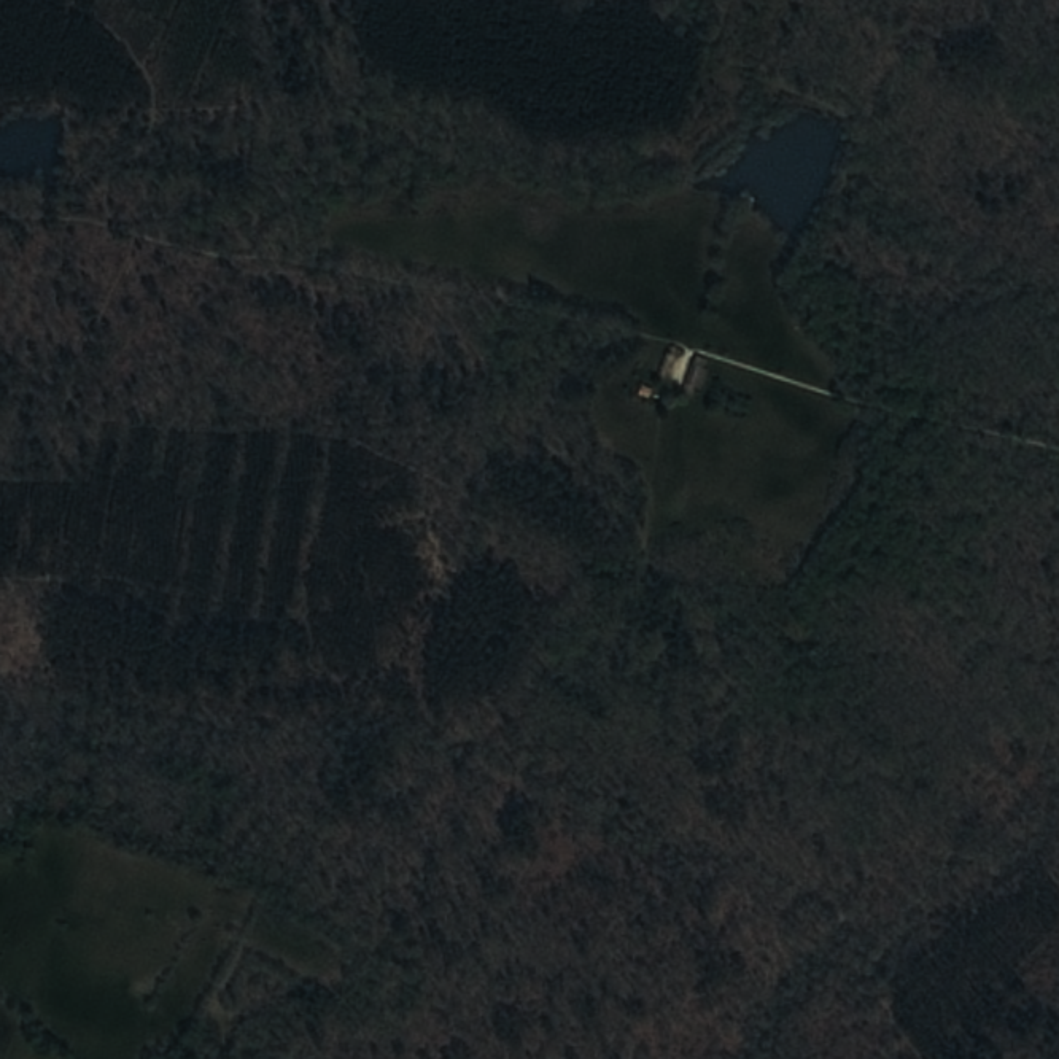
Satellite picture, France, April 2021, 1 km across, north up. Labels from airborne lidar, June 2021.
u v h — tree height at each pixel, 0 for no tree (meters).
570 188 26
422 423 10
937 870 18
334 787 22
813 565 20
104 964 0
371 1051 9
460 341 19
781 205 0
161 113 7
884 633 16
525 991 15
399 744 23
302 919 15
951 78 14
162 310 7
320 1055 12
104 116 13
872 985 11
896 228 15
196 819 10
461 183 16
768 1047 21
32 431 22
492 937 18
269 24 11
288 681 13
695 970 13
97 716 22
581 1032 15
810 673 21
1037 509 21
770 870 14
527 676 18
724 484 0
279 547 7
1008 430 17
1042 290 15
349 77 11
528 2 16
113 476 9
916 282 16
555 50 16
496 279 0
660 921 22
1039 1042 6
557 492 22
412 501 7
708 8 15
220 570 6
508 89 19
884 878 13
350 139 26
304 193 25
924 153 15
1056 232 9
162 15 6
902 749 20
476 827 15
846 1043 8
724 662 8
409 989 11
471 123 17
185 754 15
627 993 15
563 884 6
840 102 19
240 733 21
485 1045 16
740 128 10
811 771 15
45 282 11
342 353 21
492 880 12
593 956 13
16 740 14
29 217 10
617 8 16
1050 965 6
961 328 20
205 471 5
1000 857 16
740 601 10
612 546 23
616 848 6
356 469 8
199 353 14
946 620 22
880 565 20
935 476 19
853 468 8
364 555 9
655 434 0
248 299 10
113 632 22
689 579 11
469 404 11
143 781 15
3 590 6
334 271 16
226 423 15
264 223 15
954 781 18
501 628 23
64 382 11
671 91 18
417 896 17
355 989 17
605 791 22
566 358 22
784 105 10
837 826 18
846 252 17
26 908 0
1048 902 13
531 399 14
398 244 0
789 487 0
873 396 19
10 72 15
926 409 12
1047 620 15
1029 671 16
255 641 21
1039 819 17
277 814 17
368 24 16
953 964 13
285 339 7
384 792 17
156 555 6
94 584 7
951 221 13
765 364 0
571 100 18
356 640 8
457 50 17
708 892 16
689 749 19
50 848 0
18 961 0
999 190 11
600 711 22
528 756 23
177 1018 0
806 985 16
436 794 15
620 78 18
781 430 0
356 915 17
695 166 9
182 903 0
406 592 8
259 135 19
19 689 23
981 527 18
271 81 12
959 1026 11
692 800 13
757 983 14
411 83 15
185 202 14
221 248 17
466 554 16
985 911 10
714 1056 10
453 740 23
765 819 13
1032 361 20
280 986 10
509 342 23
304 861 12
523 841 22
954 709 16
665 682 20
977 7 16
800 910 15
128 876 0
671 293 0
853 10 16
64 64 17
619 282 0
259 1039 21
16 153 0
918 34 7
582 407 11
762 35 8
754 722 14
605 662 22
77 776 10
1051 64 18
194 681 21
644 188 27
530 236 0
